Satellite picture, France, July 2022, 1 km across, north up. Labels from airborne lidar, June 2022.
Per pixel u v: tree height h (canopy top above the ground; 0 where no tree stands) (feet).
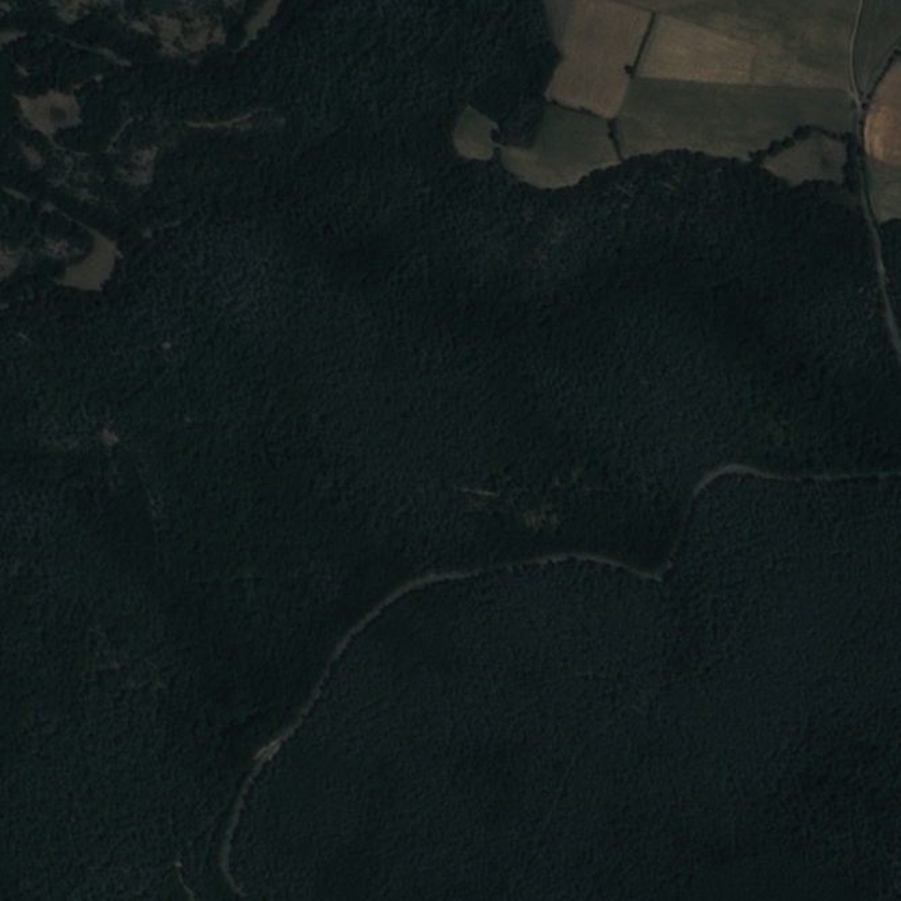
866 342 41
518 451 49
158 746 38
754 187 47
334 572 31
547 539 47
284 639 41
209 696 59
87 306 54
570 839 54
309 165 64
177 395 52
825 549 52
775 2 0
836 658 42
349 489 62
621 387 33
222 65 58
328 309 55
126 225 43
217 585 33
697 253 60
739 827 39
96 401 31
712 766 42
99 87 62
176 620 60
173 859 44
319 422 48
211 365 40
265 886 35
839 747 43
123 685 47
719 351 46
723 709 51
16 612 45
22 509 54
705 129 0
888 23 0
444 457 60
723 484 52
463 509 49
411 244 36
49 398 52
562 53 39
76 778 47
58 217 55
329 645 62
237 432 47
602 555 47
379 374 63
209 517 52
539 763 28
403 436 58
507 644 46
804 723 49
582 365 33
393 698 25
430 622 36
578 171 0
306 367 54
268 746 39
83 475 59
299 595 37
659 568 61
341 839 43
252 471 48
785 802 28
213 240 35
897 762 49
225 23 33
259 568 37
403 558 56
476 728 32
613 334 52
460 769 41
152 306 63
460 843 29
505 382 68
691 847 37
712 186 41
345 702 39
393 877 46
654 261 74
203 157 51
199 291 39
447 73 45
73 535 44
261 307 39
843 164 0
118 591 50
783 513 53
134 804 51
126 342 32
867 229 30
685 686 54
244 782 48
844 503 55
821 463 55
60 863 22
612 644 56
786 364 23
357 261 66
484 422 46
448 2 41
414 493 58
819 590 54
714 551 52
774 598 52
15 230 44
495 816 37
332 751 38
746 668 56
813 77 0
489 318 70
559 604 50
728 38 0
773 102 0
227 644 57
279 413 67
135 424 46
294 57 47
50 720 21
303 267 57
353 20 49
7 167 19
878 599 59
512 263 35
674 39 0
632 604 53
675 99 0
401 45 48
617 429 48
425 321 67
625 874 45
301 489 49
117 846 45
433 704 40
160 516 29
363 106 35
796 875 39
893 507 54
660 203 49
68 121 0
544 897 44
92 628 50
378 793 31
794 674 51
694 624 63
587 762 50
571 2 0
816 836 38
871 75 0
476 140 0
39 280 67
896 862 45
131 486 35
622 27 0
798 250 63
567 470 55
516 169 0
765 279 63
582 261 43
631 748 30
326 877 30
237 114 34
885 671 54
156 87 54
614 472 45
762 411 31
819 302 56
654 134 0
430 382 59
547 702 50
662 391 51
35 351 53
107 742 38
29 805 32
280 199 64
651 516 31
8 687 51
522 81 35
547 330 61
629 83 0
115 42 56
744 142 0
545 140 0
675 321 42
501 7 77
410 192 51
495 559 47
